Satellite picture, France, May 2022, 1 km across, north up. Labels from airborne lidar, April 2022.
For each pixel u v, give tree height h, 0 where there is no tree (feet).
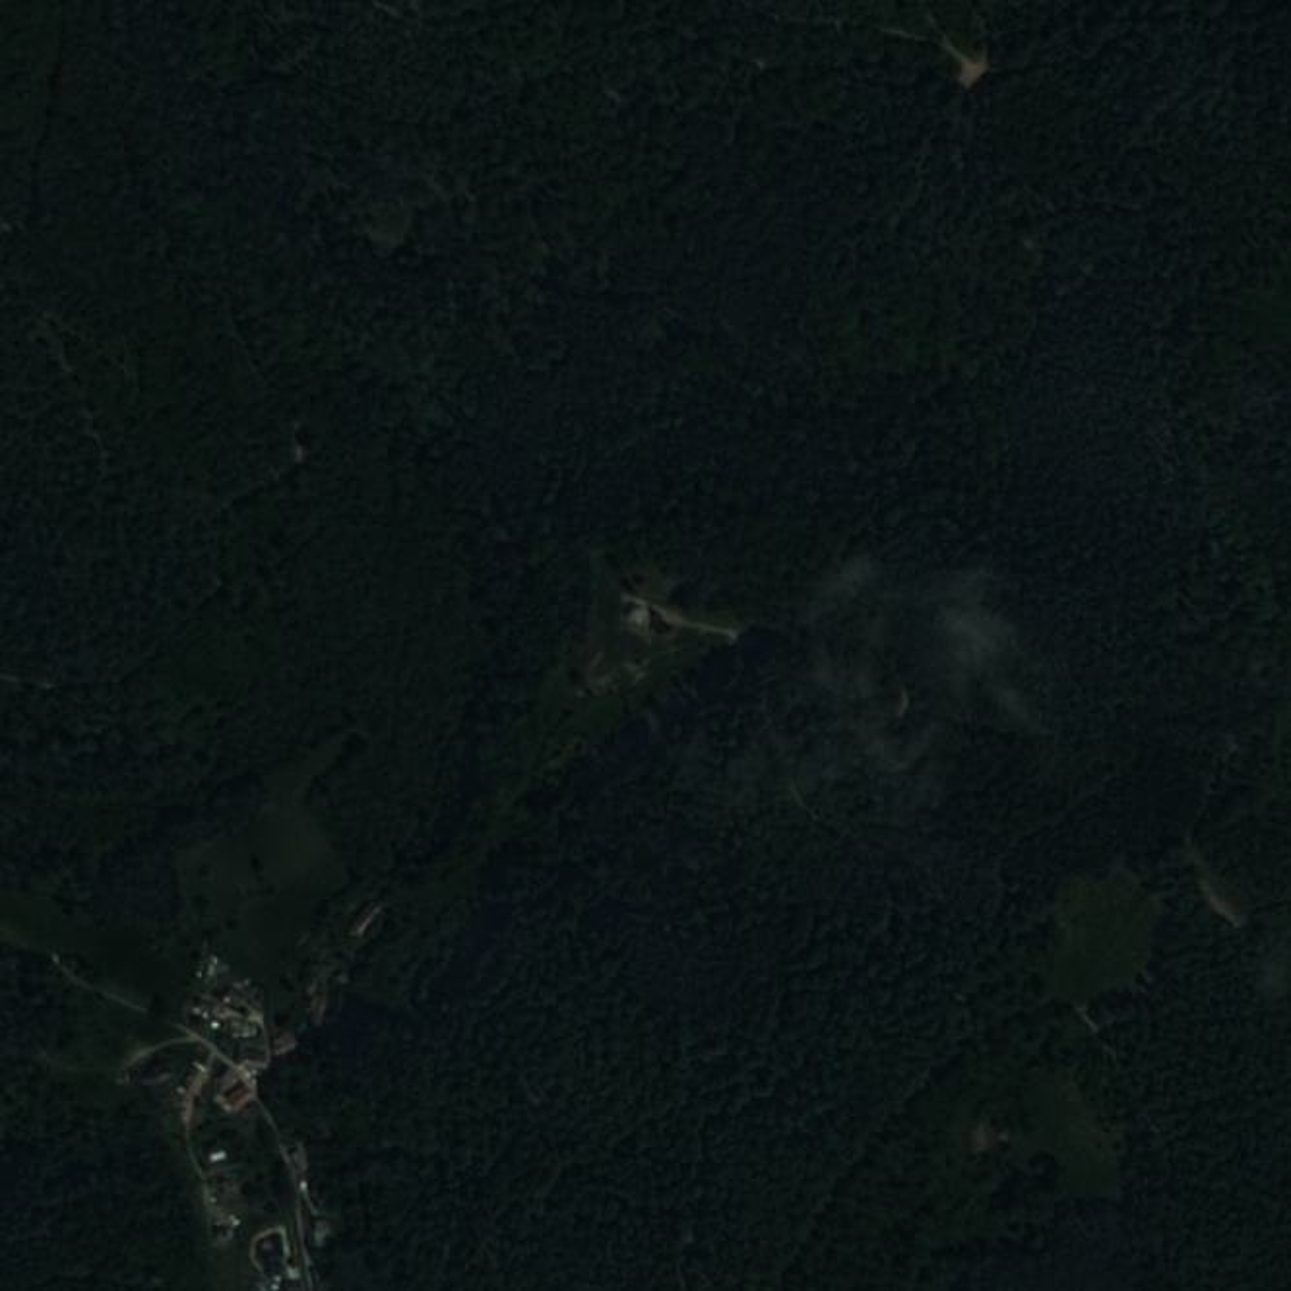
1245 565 78
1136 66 67
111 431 42
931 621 73
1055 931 82
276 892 25
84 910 89
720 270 100
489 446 102
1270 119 38
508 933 89
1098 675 74
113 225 71
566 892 106
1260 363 93
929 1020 65
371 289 88
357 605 27
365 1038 100
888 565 60
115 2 91
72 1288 41
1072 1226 61
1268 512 98
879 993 78
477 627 32
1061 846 30
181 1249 64
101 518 30
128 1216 45
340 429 67
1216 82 51
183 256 69
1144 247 97
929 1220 97
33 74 73
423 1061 61
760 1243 64
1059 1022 90
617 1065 67
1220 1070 75
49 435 64
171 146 107
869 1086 62
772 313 81
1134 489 84
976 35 40
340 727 64
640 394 94
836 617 64
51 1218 31
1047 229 44
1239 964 78
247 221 101
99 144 79
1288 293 68
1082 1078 68
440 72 76
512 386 96
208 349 60
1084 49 127
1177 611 27
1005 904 67
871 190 86
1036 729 64
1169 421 75
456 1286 58
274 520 36
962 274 51
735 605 67
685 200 89
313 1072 69
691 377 97
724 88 79
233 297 78
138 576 35
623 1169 94
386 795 31
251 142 76
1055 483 96
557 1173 80
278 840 0
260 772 38
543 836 67
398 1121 70
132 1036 0
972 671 62
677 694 0
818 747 67
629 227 71
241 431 38
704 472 82
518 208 92
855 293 78
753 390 101
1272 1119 82
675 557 77
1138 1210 74
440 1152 74
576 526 94
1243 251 54
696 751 82
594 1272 46
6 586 48
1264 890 21
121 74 73
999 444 82
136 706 41
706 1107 76
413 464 40
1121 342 77
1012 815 69
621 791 65
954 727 68
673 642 0
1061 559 92
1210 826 27
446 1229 52
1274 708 60
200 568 48
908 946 87
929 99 99
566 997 63
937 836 87
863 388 82
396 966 0
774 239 83
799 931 94
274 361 26
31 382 63
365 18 54
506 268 53
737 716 102
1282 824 27
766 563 61
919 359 98
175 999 0
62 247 68
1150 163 31
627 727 0
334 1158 31
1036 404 74
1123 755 66
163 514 52
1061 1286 71
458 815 75
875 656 66
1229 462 83
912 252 55
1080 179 42
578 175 52
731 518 102
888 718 43
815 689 74
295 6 95
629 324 106
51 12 78
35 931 0
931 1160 81
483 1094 69
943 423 67
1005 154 33
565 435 101
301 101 73
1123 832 39
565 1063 57
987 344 109
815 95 62
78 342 33
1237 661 59
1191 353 66
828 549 59
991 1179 40
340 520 27
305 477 42
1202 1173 73
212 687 43
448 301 63
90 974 42
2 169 75
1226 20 69
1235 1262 64
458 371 71
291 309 108
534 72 90
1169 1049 82
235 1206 0
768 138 79
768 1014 106
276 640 29
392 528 29
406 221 0
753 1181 61
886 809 81
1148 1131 41
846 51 52
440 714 31
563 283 84
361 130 68
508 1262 51
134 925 49
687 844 131
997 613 64
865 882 82
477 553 112
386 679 33
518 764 51
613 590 0
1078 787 65
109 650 41
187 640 36
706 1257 68
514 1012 81
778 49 53
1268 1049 68
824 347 74
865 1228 101
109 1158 39
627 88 63
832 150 117
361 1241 40
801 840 70
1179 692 63
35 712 33
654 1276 75
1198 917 64
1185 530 42
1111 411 81
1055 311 87
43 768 78
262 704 37
